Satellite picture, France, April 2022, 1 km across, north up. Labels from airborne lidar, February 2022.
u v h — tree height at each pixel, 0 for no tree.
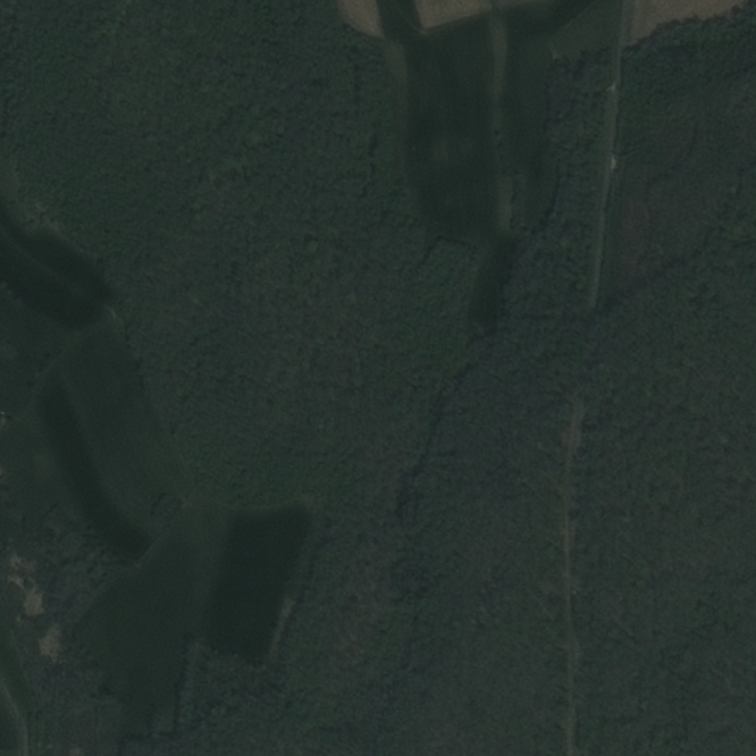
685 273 28
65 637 8
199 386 24
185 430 18
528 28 0
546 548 27
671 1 0
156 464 0
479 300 0
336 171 31
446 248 8
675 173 13
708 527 28
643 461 29
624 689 30
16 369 0
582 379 0
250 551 0
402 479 29
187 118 29
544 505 27
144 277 27
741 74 14
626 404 23
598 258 0
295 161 30
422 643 24
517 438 26
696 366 30
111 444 0
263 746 26
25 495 0
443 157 0
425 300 20
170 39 26
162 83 26
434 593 26
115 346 0
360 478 22
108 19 28
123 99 28
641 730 31
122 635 0
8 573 8
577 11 0
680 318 27
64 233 7
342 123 30
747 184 24
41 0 27
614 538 28
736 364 29
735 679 30
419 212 0
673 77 14
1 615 0
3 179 0
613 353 28
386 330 31
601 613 30
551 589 29
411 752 25
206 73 29
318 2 27
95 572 15
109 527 0
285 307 30
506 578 22
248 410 25
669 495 30
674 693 23
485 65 0
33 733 11
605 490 26
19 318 0
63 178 19
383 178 27
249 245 28
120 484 0
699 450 26
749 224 26
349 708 30
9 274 0
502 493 27
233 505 17
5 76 20
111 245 18
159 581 0
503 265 0
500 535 24
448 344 21
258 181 27
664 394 28
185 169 29
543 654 29
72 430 0
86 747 0
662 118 11
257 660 0
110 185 23
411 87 0
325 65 27
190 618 0
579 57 0
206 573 0
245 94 26
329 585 24
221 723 23
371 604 27
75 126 25
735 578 22
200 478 14
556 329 27
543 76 0
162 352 27
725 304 25
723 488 28
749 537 29
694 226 17
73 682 32
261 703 24
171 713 0
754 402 30
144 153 23
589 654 25
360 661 26
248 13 28
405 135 0
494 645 25
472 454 28
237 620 0
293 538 0
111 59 24
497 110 0
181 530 0
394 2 0
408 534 28
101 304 0
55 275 0
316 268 27
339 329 29
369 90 25
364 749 31
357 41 13
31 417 0
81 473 0
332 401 30
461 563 22
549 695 31
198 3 27
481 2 0
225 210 27
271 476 22
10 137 15
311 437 24
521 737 32
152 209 24
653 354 30
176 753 27
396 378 23
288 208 30
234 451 20
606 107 15
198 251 29
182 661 0
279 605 0
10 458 0
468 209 0
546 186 0
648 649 30
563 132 19
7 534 0
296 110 30
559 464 23
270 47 21
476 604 24
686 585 31
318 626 23
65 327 0
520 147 0
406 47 0
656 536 32
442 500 26
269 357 28
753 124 16
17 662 0
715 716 27
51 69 19
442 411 25
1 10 15
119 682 0
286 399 25
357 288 30
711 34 20
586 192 18
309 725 26
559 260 16
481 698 25
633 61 12
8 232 0
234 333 26
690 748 26
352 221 31
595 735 28
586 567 33
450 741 25
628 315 28
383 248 33
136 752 24
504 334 23
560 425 27
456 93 0
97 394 0
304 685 24
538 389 28
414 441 29
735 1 0
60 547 21
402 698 26
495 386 24
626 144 6
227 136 26
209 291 27
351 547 26
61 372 0
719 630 25
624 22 0
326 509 0
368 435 26
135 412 0
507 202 0
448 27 0
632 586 30
